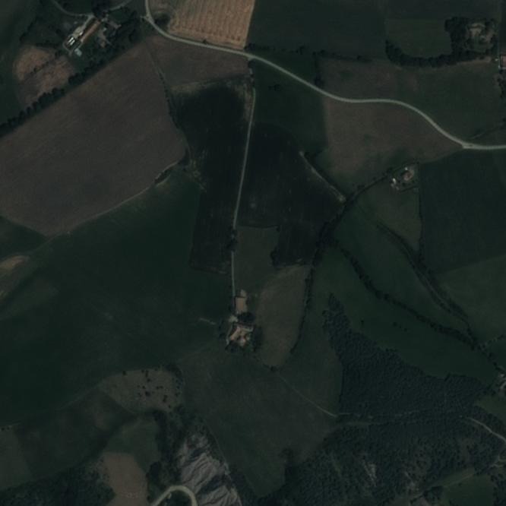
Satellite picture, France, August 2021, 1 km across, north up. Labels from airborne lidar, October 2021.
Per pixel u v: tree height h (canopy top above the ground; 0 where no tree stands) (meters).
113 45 8
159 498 0
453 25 17
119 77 0
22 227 0
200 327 0
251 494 9
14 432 0
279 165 0
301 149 0
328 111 0
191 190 0
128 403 0
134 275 0
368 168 0
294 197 0
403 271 0
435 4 0
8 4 0
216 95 0
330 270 0
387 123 0
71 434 0
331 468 8
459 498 0
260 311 0
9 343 0
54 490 7
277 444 0
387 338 0
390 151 0
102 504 7
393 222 0
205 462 0
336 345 6
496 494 7
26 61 0
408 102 0
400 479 15
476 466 11
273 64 0
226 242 0
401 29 0
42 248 0
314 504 8
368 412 9
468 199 0
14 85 0
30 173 0
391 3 0
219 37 0
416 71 0
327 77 0
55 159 0
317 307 0
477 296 0
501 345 0
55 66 0
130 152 0
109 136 0
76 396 0
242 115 0
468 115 0
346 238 0
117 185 0
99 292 0
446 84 0
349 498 8
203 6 0
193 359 0
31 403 0
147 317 0
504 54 0
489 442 7
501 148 0
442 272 0
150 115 0
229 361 0
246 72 0
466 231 0
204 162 0
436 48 0
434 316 0
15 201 0
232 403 0
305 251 0
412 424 8
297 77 0
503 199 0
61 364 0
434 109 0
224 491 0
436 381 11
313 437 0
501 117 0
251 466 0
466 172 0
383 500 9
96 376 0
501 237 0
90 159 0
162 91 0
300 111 0
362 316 0
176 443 6
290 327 0
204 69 0
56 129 0
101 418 0
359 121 0
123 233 0
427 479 11
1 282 0
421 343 0
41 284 0
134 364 0
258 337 7
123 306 0
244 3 0
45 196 0
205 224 0
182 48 0
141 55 0
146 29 0
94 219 0
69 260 0
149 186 0
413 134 0
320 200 0
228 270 0
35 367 0
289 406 0
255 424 0
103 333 0
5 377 0
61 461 0
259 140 0
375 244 0
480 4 0
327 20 0
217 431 0
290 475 17
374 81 0
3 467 0
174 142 0
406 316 0
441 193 0
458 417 10
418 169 0
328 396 0
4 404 0
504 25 0
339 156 0
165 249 0
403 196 0
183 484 0
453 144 0
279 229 8
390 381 14
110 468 0
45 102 17
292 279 0
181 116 0
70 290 0
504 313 0
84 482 10
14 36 0
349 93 0
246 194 0
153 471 12
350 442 13
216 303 0
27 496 9
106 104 0
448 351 0
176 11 0
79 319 0
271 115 0
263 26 0
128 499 0
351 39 0
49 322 0
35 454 0
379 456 13
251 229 0
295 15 0
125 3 0
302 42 0
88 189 0
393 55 17
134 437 0
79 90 0
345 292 0
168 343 0
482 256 0
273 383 0
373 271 0
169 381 0
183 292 0
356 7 0
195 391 0
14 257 0
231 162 0
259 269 0
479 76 0
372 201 0
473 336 11
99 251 0
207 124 0
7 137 0
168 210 0
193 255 0
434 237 0
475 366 0
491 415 8
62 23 0
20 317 0
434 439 9
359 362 11
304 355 0
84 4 0
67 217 0
